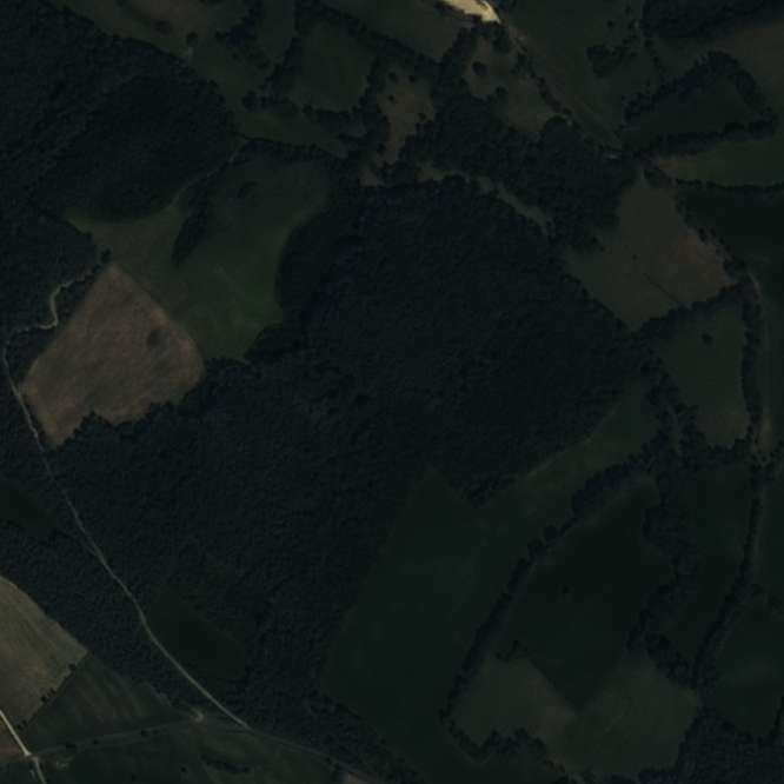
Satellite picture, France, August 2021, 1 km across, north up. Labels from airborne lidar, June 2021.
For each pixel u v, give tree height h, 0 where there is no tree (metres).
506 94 18
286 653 21
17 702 0
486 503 25
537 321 27
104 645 14
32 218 23
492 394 27
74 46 34
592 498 21
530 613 0
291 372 26
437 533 0
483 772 0
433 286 22
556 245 21
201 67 0
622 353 24
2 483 0
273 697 17
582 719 0
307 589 24
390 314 26
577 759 0
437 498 0
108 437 25
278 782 0
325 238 9
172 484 28
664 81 10
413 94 0
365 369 29
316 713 12
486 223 31
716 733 20
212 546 21
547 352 26
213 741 0
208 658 0
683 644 0
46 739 0
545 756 23
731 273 20
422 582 0
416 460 25
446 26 0
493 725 0
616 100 0
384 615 0
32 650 0
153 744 0
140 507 23
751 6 13
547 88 14
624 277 0
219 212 0
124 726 0
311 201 0
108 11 0
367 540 24
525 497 0
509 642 0
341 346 26
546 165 17
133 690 0
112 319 0
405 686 0
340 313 34
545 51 0
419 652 0
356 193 8
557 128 18
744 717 0
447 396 27
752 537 11
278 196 0
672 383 11
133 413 0
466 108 24
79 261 15
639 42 12
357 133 0
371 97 15
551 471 0
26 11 31
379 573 0
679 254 0
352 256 30
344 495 29
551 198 23
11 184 29
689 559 27
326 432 22
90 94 32
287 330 11
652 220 0
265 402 29
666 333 23
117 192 7
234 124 21
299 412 25
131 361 0
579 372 28
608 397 26
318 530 30
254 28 16
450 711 8
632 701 0
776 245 0
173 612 0
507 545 0
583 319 24
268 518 28
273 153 6
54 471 20
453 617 0
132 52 29
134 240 0
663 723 0
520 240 30
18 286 15
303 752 0
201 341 0
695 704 0
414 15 0
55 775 0
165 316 0
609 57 21
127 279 0
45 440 16
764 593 22
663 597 19
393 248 29
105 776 0
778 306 0
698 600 0
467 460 25
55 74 29
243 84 0
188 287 0
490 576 0
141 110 7
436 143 24
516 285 24
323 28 0
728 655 0
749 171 0
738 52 0
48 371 0
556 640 0
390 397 24
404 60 24
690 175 0
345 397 28
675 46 14
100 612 10
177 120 8
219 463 17
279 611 20
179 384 0
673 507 26
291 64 18
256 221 0
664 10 13
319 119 19
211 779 0
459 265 26
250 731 0
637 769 0
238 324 0
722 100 0
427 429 22
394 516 23
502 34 17
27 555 14
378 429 28
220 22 0
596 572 0
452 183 19
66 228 21
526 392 28
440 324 26
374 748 10
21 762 0
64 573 10
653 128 0
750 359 16
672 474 27
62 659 0
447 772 0
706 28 24
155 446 26
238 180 0
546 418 25
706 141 18
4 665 0
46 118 24
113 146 8
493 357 25
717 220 0
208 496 20
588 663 0
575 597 0
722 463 19
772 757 19
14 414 13
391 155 0
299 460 21
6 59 23
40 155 26
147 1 0
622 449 0
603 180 21
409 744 0
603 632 0
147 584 16
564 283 27
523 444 24
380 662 0
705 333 0
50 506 16
